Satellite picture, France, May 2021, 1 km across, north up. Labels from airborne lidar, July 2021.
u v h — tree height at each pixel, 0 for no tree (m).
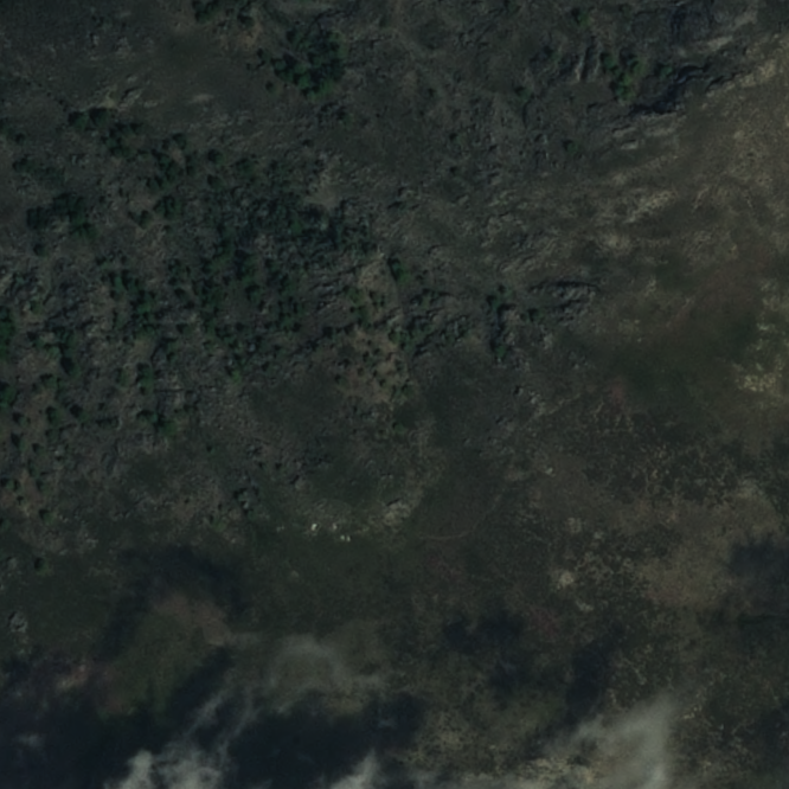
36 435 0
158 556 0
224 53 0
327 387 0
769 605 0
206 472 0
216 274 6
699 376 0
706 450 0
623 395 0
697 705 0
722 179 0
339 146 0
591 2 0
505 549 0
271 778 0
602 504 0
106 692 0
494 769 0
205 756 0
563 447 0
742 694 0
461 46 0
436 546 0
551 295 0
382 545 0
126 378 10
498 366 0
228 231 15
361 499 0
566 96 0
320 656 0
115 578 0
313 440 0
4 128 17
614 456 0
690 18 0
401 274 21
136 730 0
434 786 0
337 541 0
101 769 0
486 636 0
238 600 0
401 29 0
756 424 0
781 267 0
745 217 0
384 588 0
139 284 14
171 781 0
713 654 0
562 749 0
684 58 0
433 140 0
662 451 0
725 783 0
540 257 0
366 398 0
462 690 0
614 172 0
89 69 0
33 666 0
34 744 0
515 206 0
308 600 0
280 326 8
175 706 0
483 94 0
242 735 0
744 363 0
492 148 0
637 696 0
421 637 0
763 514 0
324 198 0
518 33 0
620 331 0
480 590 0
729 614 0
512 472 0
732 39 0
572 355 0
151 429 0
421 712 0
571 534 0
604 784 0
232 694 0
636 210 0
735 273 0
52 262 0
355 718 0
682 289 0
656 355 0
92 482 0
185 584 0
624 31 0
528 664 0
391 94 0
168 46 0
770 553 0
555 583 0
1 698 0
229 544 0
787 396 0
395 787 0
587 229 0
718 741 0
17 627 0
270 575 0
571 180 0
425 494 0
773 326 0
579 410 0
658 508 0
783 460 0
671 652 0
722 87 0
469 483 0
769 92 0
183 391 0
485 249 0
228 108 0
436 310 0
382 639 0
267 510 0
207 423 0
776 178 0
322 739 0
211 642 0
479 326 0
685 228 0
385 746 0
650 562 0
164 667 0
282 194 9
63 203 11
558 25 0
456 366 0
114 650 0
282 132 0
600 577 0
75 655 0
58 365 0
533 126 0
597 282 0
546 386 0
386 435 8
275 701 0
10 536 0
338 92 0
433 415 0
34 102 0
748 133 0
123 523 0
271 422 0
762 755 0
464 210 0
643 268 0
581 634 0
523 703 0
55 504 0
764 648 0
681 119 0
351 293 12
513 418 0
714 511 0
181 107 0
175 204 21
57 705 0
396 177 0
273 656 0
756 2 0
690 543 0
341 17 0
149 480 0
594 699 0
